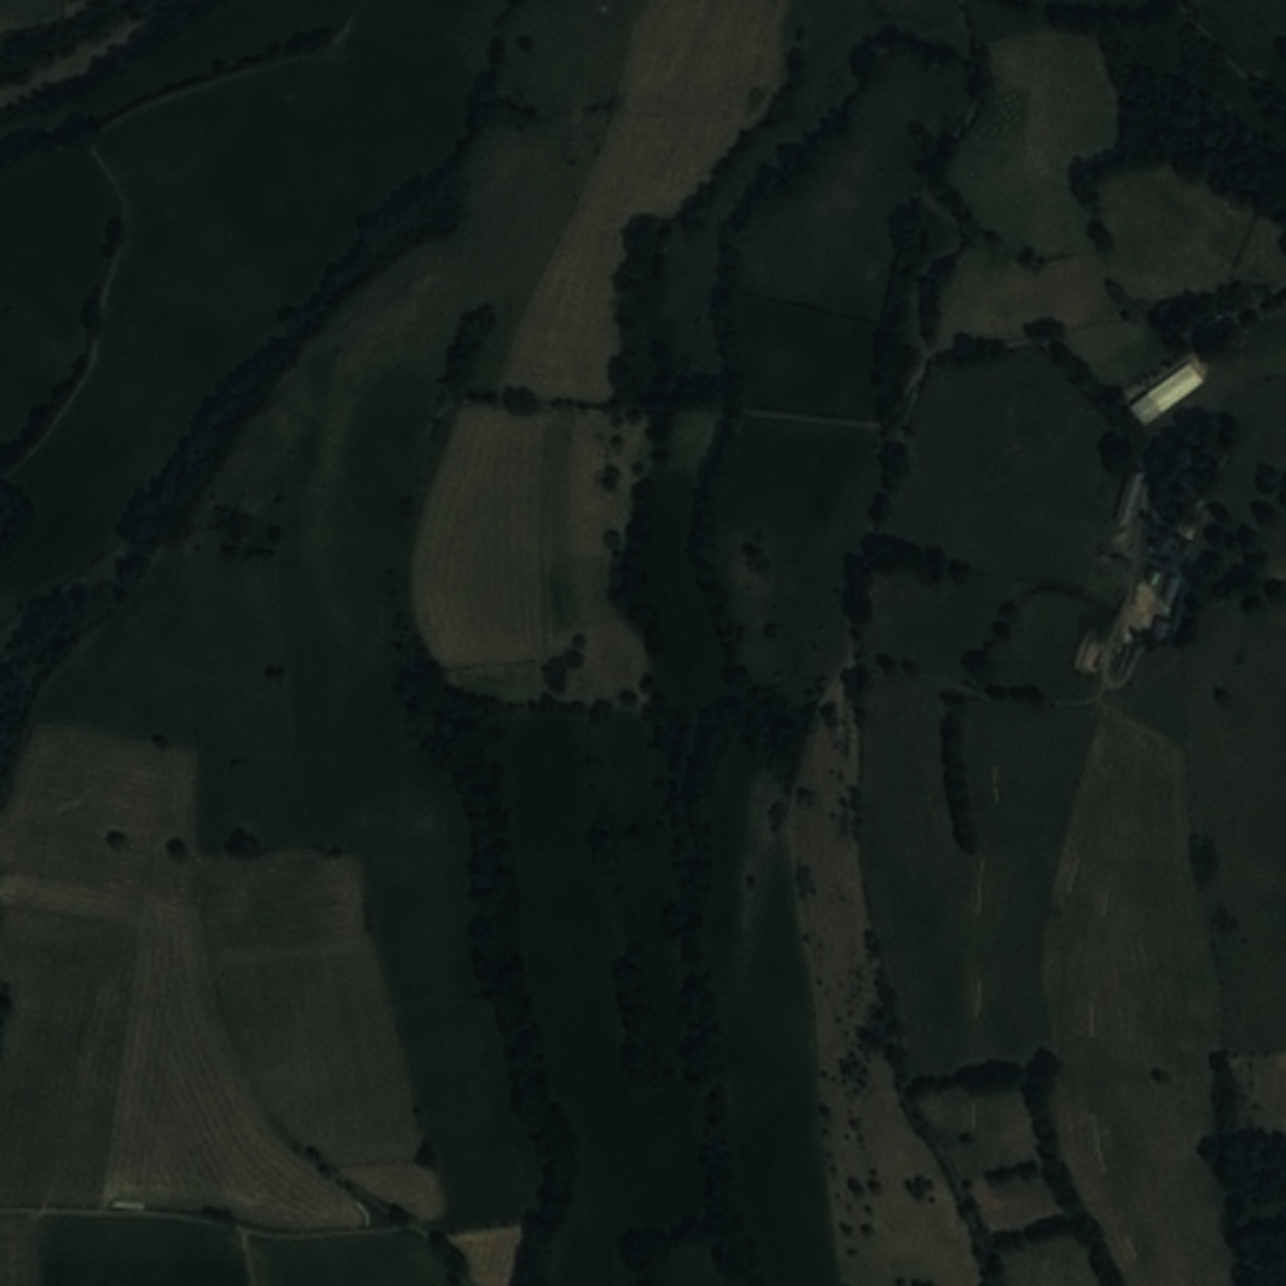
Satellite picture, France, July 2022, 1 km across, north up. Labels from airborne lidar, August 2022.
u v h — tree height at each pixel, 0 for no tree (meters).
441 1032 0
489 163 0
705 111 0
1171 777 0
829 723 10
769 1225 0
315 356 0
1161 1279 0
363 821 0
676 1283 0
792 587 0
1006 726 0
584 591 0
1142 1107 0
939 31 0
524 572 0
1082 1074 0
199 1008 0
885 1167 0
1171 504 26
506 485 0
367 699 0
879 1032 9
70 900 0
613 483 8
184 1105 0
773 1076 0
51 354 0
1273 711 0
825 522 0
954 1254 0
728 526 0
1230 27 0
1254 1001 0
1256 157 24
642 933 0
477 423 0
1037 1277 0
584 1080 0
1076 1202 15
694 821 15
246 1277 0
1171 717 0
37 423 16
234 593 0
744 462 0
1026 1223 0
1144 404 0
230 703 0
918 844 0
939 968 0
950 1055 0
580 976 0
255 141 0
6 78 18
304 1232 0
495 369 0
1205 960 0
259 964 0
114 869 0
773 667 0
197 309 0
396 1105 0
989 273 0
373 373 0
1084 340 0
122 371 0
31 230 0
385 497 0
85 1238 0
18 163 21
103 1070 0
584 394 0
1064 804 0
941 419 0
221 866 0
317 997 0
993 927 0
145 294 0
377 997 0
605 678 0
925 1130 7
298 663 0
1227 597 15
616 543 10
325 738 0
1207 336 19
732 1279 21
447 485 0
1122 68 17
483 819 15
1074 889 0
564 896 0
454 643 0
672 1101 0
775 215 0
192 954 0
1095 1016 0
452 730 23
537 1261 25
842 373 0
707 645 0
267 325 0
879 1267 0
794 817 0
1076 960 0
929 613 0
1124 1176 0
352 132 0
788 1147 0
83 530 0
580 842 0
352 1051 0
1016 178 0
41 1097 0
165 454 0
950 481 0
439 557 0
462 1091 0
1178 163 23
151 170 0
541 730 0
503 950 21
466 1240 0
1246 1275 15
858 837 8
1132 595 0
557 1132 24
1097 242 18
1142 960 0
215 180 0
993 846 0
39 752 0
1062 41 0
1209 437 21
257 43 0
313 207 0
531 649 0
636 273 9
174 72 0
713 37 0
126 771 0
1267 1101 0
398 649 10
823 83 0
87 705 0
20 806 0
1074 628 0
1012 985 0
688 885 13
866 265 0
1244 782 0
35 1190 0
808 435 0
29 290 0
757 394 0
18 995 0
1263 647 0
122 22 8
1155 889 0
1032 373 0
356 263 13
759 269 0
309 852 0
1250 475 0
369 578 0
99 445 0
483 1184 0
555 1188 17
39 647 10
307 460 0
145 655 0
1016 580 0
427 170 0
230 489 0
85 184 0
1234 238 0
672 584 0
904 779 0
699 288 0
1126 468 14
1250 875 0
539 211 0
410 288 0
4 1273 0
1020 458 0
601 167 0
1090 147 0
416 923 0
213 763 0
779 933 0
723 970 0
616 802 0
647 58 0
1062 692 0
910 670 13
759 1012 0
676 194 0
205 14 20
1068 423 0
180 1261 0
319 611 0
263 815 0
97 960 0
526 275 0
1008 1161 0
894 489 11
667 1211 0
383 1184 0
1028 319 0
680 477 0
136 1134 0
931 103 0
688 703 0
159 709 0
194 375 0
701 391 23
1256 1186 22
